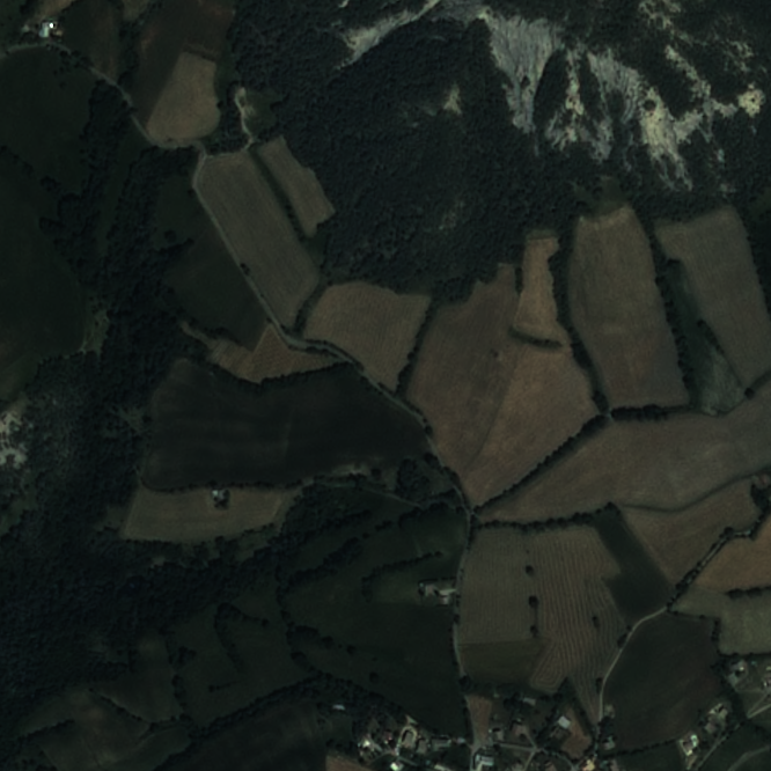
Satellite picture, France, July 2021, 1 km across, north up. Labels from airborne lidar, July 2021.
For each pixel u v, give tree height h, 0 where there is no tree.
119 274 32
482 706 0
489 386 0
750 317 0
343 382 0
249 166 0
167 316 16
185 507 0
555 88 11
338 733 0
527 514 0
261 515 0
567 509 0
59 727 12
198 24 0
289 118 11
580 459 0
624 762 0
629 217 0
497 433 0
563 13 6
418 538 0
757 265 11
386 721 13
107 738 0
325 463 0
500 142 8
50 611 19
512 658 0
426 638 0
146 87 0
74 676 9
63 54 16
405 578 0
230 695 0
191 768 0
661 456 0
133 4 0
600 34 7
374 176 11
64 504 19
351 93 15
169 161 15
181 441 0
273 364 0
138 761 0
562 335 0
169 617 17
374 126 7
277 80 9
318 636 17
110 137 21
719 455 0
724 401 0
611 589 0
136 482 9
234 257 0
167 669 0
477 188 10
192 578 19
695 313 0
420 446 0
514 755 0
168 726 0
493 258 7
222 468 0
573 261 0
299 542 13
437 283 6
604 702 0
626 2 9
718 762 0
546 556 0
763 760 0
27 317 0
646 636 0
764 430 0
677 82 9
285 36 12
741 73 7
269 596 0
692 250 0
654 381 0
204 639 0
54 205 0
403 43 14
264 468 0
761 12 9
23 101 0
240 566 8
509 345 0
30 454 6
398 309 0
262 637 0
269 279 0
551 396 0
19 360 0
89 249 24
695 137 7
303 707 0
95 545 9
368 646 0
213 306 0
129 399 17
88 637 9
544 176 10
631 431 0
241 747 0
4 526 0
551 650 0
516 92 0
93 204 24
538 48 0
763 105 6
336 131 9
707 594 0
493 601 0
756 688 0
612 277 0
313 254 0
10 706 11
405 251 14
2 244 0
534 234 0
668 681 0
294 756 0
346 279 6
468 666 0
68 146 0
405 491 18
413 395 0
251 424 0
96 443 18
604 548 0
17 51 0
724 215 0
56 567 18
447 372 0
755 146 6
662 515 0
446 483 0
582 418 0
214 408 0
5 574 17
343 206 11
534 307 0
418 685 0
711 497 0
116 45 0
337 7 7
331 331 0
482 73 10
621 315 0
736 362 0
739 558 0
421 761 9
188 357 8
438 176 9
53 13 0
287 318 0
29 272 0
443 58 12
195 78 0
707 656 0
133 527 0
